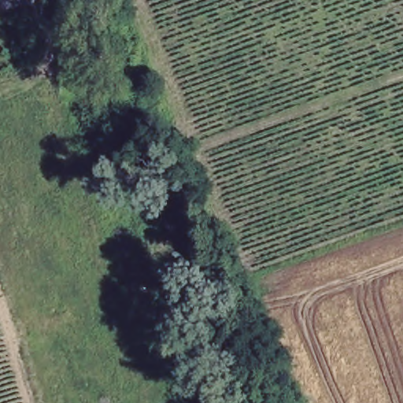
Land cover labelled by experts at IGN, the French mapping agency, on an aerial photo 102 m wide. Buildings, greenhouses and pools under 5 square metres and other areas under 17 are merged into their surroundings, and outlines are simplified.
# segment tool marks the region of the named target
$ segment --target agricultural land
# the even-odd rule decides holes
[[[403,228],[387,231],[375,238],[338,249],[340,253],[337,257],[279,269],[263,277],[261,282],[266,294],[263,301],[268,315],[277,320],[282,327],[280,343],[287,346],[290,351],[291,375],[301,386],[302,395],[307,397],[309,403],[403,403]]]

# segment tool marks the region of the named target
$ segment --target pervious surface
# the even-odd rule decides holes
[[[14,372],[17,392],[22,398],[22,403],[33,403],[31,390],[25,381],[24,364],[19,356],[19,338],[9,315],[5,296],[0,290],[0,335],[9,351],[9,365]]]

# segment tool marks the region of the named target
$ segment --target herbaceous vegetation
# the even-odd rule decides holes
[[[316,99],[301,107],[293,107],[200,143],[203,150],[209,150],[238,137],[268,128],[272,124],[290,120],[294,116],[323,109],[324,105],[332,102],[345,101],[356,94],[403,80],[403,71],[394,72],[392,76],[383,79],[360,83],[357,87],[329,94],[326,98]]]
[[[76,93],[71,85],[68,88],[58,87],[58,74],[61,71],[55,65],[52,55],[44,57],[38,68],[28,68],[24,58],[19,68],[14,69],[11,65],[0,71],[0,290],[5,296],[9,315],[19,338],[19,356],[24,364],[25,381],[31,390],[33,403],[175,403],[170,392],[168,376],[157,365],[151,351],[151,323],[154,320],[157,293],[151,282],[151,274],[161,266],[168,246],[175,247],[176,252],[183,255],[184,260],[189,261],[195,257],[194,239],[190,238],[189,233],[195,228],[195,217],[187,216],[186,197],[179,190],[168,190],[167,205],[159,217],[151,219],[154,225],[143,225],[137,217],[110,206],[105,195],[91,190],[87,181],[87,165],[90,164],[91,157],[99,153],[94,148],[93,140],[98,139],[102,129],[96,128],[93,124],[85,134],[76,134],[79,124],[69,105],[74,102]]]
[[[213,189],[206,198],[205,209],[211,216],[224,220],[227,224],[231,224],[231,216],[222,203],[222,190],[214,184],[211,186]]]
[[[57,0],[0,0],[0,44],[5,43],[6,49],[9,50],[16,44],[17,39],[27,41],[33,28],[44,24],[44,13],[54,11]]]
[[[167,55],[162,47],[162,38],[157,31],[159,28],[154,24],[153,11],[145,0],[121,0],[121,11],[128,11],[134,17],[135,27],[139,30],[137,50],[142,57],[140,66],[148,66],[164,79],[164,93],[157,94],[161,101],[157,105],[159,121],[167,124],[167,128],[175,126],[181,134],[192,137],[198,131],[195,128],[194,116],[184,105],[183,91],[178,87],[178,80],[173,74],[170,55]]]
[[[263,301],[266,294],[261,282],[255,283],[252,277],[247,277],[249,294]]]

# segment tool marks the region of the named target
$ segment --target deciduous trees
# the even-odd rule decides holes
[[[137,50],[139,30],[135,27],[134,17],[128,11],[121,11],[121,0],[57,0],[54,11],[44,13],[44,24],[33,28],[27,41],[17,39],[16,44],[9,50],[6,49],[5,43],[0,44],[0,71],[11,65],[14,69],[19,68],[24,58],[28,68],[38,68],[44,57],[52,55],[55,65],[61,71],[58,74],[58,87],[68,88],[71,85],[76,93],[74,102],[69,105],[79,124],[76,134],[85,134],[93,124],[96,128],[102,129],[98,139],[93,140],[94,148],[99,153],[91,157],[90,164],[87,165],[87,181],[91,190],[105,195],[110,206],[137,217],[143,225],[154,225],[151,219],[159,217],[167,205],[168,190],[179,190],[186,197],[187,216],[195,217],[195,228],[189,233],[190,238],[194,239],[195,257],[189,261],[184,260],[183,255],[176,252],[175,247],[168,246],[161,266],[151,274],[151,282],[157,293],[154,320],[151,323],[151,351],[157,365],[168,376],[170,392],[175,403],[309,403],[307,397],[302,395],[301,386],[291,375],[290,351],[287,346],[280,343],[282,327],[277,320],[268,315],[263,301],[249,294],[247,277],[246,268],[242,266],[238,255],[235,255],[235,238],[228,233],[230,228],[227,224],[224,220],[211,216],[205,209],[206,198],[213,189],[211,186],[205,167],[195,159],[198,146],[192,137],[181,134],[175,126],[167,128],[167,124],[159,121],[157,105],[161,101],[157,94],[164,93],[164,79],[148,66],[140,66],[142,57]]]

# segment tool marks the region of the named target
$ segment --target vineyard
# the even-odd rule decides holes
[[[9,351],[0,335],[0,403],[22,403],[22,398],[17,392],[14,372],[9,365]]]
[[[211,186],[214,184],[222,190],[222,203],[231,216],[231,224],[227,224],[230,228],[228,233],[235,238],[235,255],[238,255],[242,266],[246,268],[247,277],[252,277],[255,283],[261,282],[263,277],[279,269],[337,257],[340,253],[338,249],[375,238],[387,231],[403,228],[403,80],[356,94],[345,101],[332,102],[324,105],[323,109],[294,116],[290,120],[272,124],[268,128],[238,137],[209,150],[203,150],[200,143],[293,107],[301,107],[316,99],[326,98],[329,94],[357,87],[360,83],[383,79],[392,76],[394,72],[403,71],[403,0],[145,0],[153,11],[154,24],[159,28],[157,31],[162,38],[162,47],[167,55],[170,55],[173,74],[178,80],[178,87],[183,91],[184,105],[194,116],[195,128],[198,131],[192,137],[198,146],[195,159],[205,167]]]

